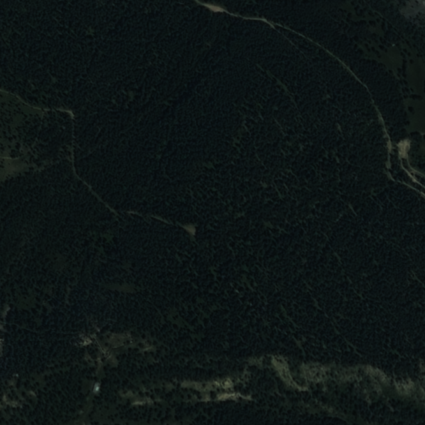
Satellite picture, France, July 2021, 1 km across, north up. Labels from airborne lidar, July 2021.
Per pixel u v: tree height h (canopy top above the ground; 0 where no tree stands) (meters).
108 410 12
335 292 17
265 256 7
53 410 22
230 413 19
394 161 20
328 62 20
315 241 21
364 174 17
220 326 17
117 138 21
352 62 19
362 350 10
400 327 16
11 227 14
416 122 0
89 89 18
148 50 12
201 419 15
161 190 21
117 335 0
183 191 20
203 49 18
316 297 21
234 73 19
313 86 21
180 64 21
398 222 19
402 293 20
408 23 17
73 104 22
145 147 19
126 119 19
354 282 14
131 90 15
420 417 22
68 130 11
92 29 24
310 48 24
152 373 19
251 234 9
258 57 20
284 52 22
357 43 19
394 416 18
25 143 12
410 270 18
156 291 19
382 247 18
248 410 18
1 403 13
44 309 7
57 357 15
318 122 21
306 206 17
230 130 18
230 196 24
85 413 0
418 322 17
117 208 23
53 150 15
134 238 17
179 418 23
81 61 18
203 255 24
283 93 26
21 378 17
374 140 18
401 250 15
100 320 17
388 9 22
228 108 23
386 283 22
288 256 21
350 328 20
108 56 17
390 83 20
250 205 9
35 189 14
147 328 21
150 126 20
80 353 12
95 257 21
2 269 17
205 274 22
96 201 20
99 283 24
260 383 24
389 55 0
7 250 18
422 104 0
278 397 26
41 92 6
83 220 26
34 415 21
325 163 20
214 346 22
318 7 22
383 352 27
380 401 9
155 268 21
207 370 17
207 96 29
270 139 19
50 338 11
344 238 17
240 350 10
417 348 8
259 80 20
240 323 23
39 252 10
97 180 21
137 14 18
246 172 25
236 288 18
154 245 16
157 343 14
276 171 25
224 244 14
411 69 0
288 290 19
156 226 18
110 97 12
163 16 19
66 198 18
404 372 14
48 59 18
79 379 18
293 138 26
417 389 8
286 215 22
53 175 17
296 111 19
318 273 20
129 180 21
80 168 24
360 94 16
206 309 13
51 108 24
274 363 0
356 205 13
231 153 20
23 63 23
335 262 20
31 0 23
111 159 20
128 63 17
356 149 22
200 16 21
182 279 17
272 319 29
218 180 20
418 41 21
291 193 21
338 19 24
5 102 0
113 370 18
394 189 13
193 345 21
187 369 29
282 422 18
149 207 19
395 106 20
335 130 23
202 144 18
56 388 21
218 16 18
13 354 10
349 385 13
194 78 18
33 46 16
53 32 19
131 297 21
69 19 21
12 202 19
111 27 21
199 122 25
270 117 18
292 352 16
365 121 11
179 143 21
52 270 8
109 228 26
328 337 16
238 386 8
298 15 20
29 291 19
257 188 9
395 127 19
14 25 26
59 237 17
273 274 17
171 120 24
